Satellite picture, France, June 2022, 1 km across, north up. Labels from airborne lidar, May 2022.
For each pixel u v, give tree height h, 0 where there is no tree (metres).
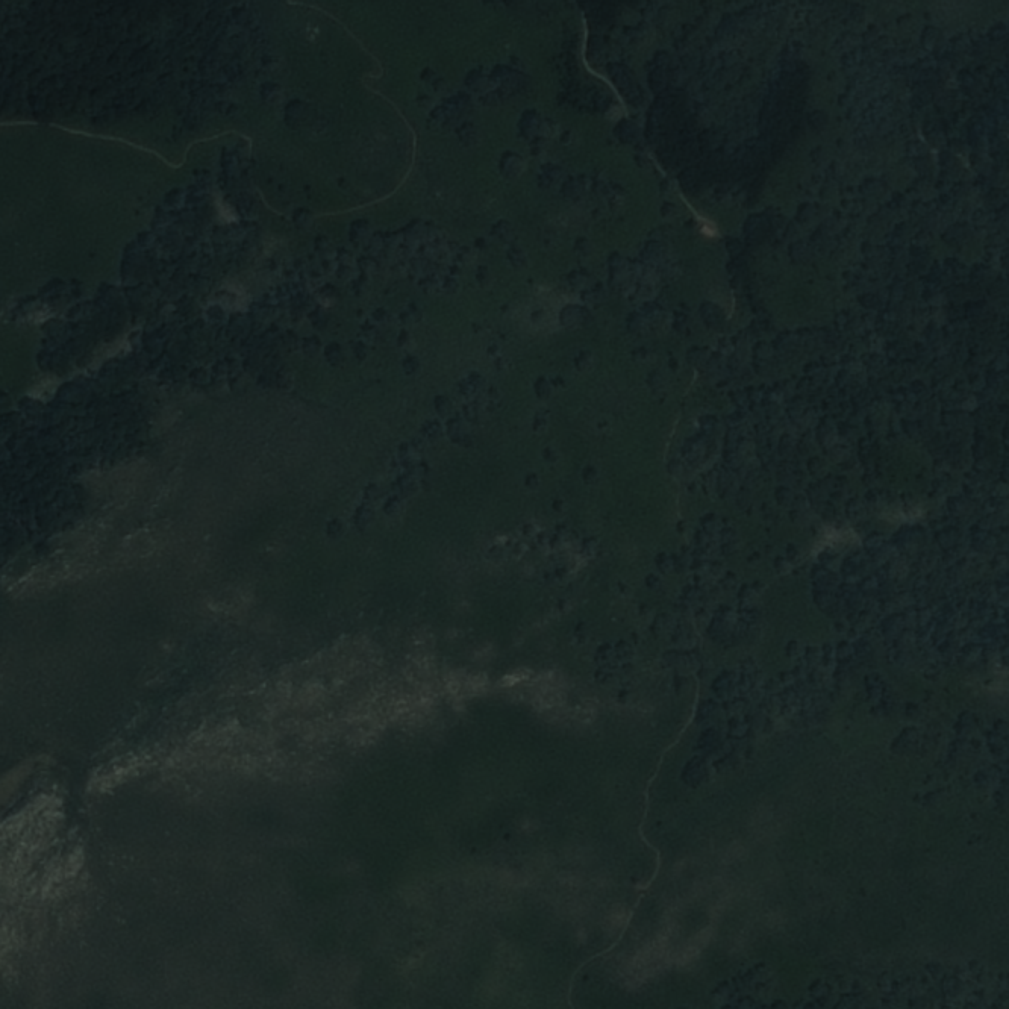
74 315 18
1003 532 20
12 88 18
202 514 0
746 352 21
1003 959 0
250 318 15
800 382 8
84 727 0
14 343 0
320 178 0
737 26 24
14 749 0
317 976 0
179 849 0
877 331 19
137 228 0
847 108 13
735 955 0
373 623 0
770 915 0
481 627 0
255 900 0
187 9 19
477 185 0
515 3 13
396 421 0
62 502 12
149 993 0
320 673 0
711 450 24
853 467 19
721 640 15
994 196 35
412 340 15
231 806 0
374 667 0
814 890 0
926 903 0
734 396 20
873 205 23
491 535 0
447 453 0
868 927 0
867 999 21
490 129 0
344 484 0
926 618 24
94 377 15
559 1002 0
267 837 0
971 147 14
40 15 21
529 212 0
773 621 0
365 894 0
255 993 0
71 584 0
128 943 0
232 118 8
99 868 0
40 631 0
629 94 20
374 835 0
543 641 0
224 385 6
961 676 0
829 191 17
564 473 0
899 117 16
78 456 19
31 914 0
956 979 16
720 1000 20
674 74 21
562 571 13
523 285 0
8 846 0
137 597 0
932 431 27
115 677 0
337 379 0
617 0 24
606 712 0
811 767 0
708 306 14
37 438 33
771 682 8
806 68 18
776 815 0
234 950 0
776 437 20
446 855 0
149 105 17
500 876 0
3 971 0
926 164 19
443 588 0
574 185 21
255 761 0
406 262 23
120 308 22
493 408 6
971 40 12
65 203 0
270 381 16
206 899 0
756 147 18
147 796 0
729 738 18
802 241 17
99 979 0
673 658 14
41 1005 0
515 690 0
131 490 0
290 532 0
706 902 0
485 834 0
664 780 0
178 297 15
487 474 0
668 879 0
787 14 16
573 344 0
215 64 17
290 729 0
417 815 0
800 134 16
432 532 0
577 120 0
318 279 16
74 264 0
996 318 33
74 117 8
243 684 0
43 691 0
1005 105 8
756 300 12
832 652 17
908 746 17
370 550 0
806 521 20
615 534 0
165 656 0
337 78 0
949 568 6
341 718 0
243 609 0
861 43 10
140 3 20
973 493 31
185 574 0
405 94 0
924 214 24
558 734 0
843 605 21
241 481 0
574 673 0
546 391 15
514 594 0
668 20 20
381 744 0
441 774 0
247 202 17
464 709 0
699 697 0
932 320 13
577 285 18
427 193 0
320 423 0
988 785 26
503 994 0
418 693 0
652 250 22
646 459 0
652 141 17
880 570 7
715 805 0
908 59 16
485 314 0
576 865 0
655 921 0
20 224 0
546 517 0
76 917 0
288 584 0
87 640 0
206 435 0
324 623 0
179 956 0
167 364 20
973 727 23
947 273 31
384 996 0
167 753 0
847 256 14
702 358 17
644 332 18
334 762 0
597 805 0
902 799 0
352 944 0
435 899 0
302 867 0
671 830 0
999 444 29
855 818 0
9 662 0
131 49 15
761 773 0
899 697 16
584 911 0
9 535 21
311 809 0
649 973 0
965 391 20
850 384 24
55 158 0
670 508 0
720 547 16
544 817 0
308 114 14
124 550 0
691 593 19
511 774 0
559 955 0
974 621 12
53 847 0
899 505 12
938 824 0
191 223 22
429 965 0
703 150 26
